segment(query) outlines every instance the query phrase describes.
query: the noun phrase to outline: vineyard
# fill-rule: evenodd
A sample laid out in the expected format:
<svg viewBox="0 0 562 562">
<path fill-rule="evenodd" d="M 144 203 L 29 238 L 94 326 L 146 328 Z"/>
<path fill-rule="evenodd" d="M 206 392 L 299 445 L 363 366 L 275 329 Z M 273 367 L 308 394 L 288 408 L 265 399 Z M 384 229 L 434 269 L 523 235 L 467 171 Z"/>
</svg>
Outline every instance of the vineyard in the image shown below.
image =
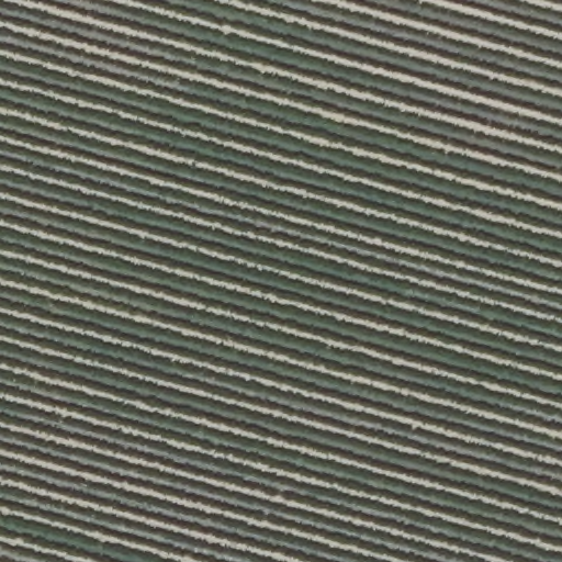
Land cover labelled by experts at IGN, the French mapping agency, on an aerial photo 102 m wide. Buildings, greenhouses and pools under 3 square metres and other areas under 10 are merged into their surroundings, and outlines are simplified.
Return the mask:
<svg viewBox="0 0 562 562">
<path fill-rule="evenodd" d="M 562 0 L 0 0 L 0 562 L 562 562 Z"/>
</svg>

